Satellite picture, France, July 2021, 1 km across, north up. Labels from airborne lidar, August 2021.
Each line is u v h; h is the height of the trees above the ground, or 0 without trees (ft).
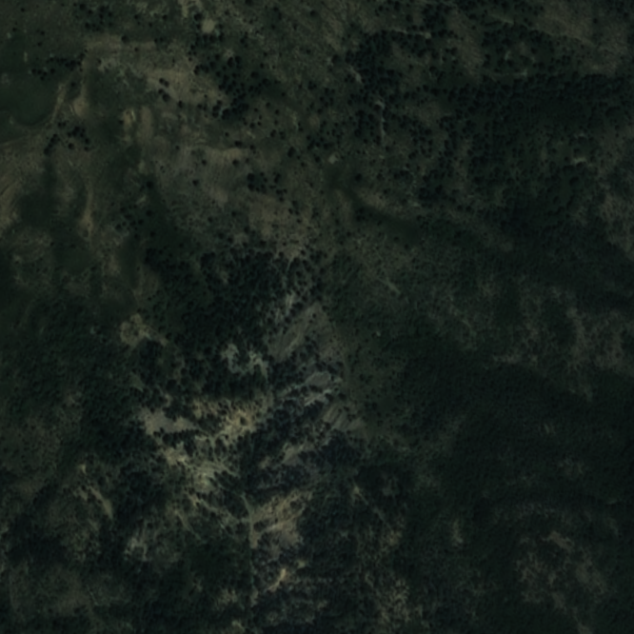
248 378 30
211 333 49
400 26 0
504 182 31
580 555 32
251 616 27
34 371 27
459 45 0
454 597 22
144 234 0
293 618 19
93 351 29
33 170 0
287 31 0
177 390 48
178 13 0
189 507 22
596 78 49
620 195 37
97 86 0
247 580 59
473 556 27
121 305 0
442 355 63
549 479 25
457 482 33
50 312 23
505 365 32
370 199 0
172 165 0
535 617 36
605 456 27
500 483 26
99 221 0
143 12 0
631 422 42
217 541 19
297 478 36
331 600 46
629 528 73
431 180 36
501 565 28
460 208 44
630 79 31
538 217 74
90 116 0
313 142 23
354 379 0
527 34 41
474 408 23
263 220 0
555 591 22
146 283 0
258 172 0
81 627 26
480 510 67
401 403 27
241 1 0
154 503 48
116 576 49
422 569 28
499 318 29
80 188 0
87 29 30
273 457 30
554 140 21
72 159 0
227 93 54
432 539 28
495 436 50
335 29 0
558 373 31
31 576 23
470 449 43
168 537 22
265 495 38
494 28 33
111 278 0
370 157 0
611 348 28
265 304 36
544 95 71
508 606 41
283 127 0
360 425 0
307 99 0
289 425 36
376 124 47
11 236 0
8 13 0
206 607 63
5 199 0
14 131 0
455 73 23
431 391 34
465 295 25
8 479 35
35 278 0
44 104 0
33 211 0
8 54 0
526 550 22
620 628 23
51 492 38
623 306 58
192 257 25
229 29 0
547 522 44
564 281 53
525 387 50
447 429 21
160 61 0
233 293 33
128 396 25
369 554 22
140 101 0
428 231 30
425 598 25
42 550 54
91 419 37
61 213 0
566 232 34
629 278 43
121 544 48
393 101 60
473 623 23
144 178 0
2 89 0
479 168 47
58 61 31
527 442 37
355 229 0
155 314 22
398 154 0
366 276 0
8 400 22
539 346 22
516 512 23
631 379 29
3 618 41
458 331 28
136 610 56
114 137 0
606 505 26
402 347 48
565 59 34
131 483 46
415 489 29
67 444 22
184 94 0
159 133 0
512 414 28
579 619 18
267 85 52
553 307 33
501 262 46
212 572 23
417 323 28
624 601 20
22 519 37
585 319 22
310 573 32
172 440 30
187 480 27
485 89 34
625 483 47
